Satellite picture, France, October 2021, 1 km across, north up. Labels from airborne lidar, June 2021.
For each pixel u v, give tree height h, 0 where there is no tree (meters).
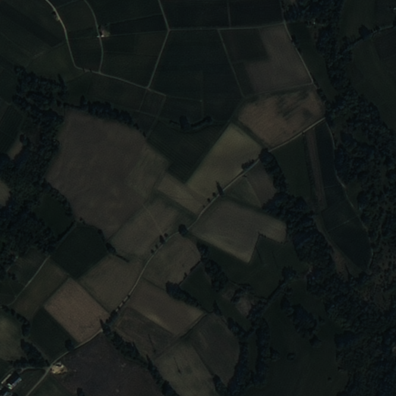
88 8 0
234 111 0
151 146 0
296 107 0
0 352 0
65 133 0
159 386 12
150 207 0
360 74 0
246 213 0
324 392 0
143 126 0
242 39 0
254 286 0
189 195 0
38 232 23
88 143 0
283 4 9
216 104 0
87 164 0
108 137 0
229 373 0
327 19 18
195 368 0
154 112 0
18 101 8
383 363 7
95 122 0
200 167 0
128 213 0
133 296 0
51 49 0
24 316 0
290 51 0
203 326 0
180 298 17
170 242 0
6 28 0
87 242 0
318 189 0
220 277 23
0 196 0
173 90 0
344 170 18
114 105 0
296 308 0
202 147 0
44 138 14
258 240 0
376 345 21
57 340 0
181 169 0
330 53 16
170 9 0
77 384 0
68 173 0
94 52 0
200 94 0
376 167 23
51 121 19
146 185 0
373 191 8
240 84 0
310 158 0
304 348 0
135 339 0
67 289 0
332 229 0
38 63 0
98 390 0
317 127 0
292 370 0
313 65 0
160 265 0
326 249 21
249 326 0
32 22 0
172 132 0
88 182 0
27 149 14
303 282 0
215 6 0
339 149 9
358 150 12
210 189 0
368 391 19
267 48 0
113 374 0
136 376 0
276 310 0
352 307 24
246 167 7
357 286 19
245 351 20
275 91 0
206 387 0
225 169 0
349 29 0
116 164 0
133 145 0
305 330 19
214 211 0
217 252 0
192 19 0
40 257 0
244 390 16
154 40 0
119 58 0
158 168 0
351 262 0
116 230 0
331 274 21
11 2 0
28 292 0
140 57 0
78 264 0
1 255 7
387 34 0
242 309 5
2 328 0
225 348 0
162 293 0
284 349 0
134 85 0
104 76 0
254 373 0
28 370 0
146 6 0
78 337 0
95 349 0
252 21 0
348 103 20
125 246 0
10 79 0
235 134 0
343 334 0
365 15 0
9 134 0
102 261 0
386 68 0
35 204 6
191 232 0
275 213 12
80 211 0
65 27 0
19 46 0
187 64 0
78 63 0
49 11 0
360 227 0
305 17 23
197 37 0
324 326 0
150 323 0
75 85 0
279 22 0
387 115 0
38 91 9
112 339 10
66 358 0
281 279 0
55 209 0
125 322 0
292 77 0
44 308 0
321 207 0
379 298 0
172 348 0
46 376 0
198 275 0
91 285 0
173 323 0
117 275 0
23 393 0
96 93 0
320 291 20
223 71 0
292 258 0
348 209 0
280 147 0
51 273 0
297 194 0
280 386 0
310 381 0
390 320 27
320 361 0
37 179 19
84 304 0
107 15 0
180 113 0
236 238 0
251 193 0
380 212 8
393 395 24
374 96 0
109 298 0
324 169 0
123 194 0
